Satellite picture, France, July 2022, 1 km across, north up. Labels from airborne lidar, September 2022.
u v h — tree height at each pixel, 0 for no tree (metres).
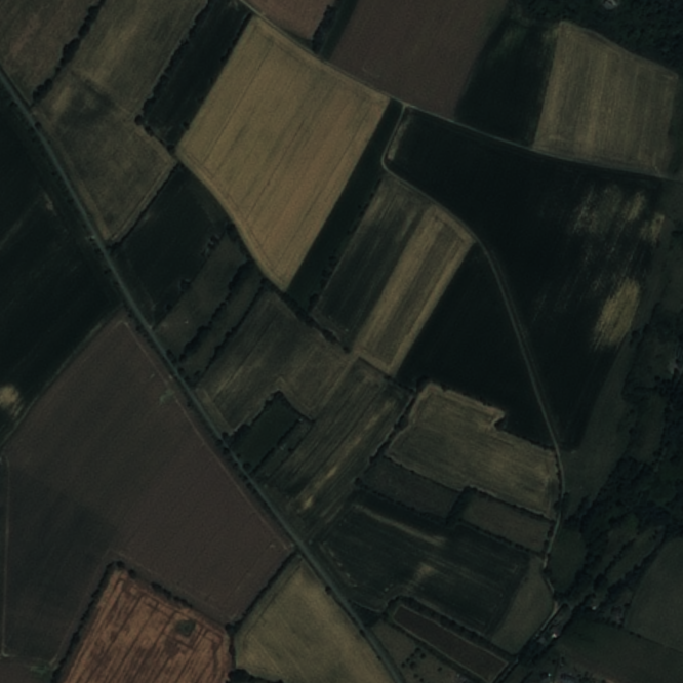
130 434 0
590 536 15
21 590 0
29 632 0
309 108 0
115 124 0
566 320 0
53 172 8
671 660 0
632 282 0
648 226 0
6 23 0
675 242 0
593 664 0
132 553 0
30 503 0
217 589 0
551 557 8
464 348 0
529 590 0
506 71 0
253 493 9
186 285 14
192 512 0
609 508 18
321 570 0
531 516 6
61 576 0
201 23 9
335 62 0
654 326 6
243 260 0
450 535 0
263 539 0
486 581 0
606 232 0
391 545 0
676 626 0
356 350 0
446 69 0
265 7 0
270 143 0
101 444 0
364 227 0
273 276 0
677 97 0
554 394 0
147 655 0
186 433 0
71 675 0
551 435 0
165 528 0
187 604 8
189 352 13
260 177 0
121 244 6
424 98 0
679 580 0
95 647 0
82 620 7
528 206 0
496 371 0
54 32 0
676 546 0
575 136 0
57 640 0
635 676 0
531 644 15
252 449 0
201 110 0
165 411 0
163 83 10
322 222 0
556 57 0
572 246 0
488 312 0
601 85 0
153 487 0
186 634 0
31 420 0
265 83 0
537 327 0
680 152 0
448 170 0
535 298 0
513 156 0
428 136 0
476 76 0
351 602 7
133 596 0
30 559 0
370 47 0
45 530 0
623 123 0
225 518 0
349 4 0
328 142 0
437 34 0
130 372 0
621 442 0
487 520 0
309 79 0
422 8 0
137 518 0
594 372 0
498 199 0
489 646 6
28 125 6
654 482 6
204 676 0
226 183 0
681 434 12
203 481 0
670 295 0
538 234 0
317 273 0
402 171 0
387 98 0
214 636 0
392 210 0
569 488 0
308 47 0
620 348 0
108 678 0
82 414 0
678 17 11
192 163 0
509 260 0
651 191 0
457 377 0
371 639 0
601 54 0
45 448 0
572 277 0
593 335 0
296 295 0
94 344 0
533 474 0
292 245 0
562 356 0
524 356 0
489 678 0
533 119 0
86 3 0
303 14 0
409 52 0
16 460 0
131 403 0
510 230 0
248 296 0
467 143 0
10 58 0
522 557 0
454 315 0
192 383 10
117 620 0
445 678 0
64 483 0
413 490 0
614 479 9
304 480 0
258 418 7
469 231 0
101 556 0
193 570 0
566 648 0
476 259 0
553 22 0
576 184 0
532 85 0
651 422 0
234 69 0
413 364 0
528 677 7
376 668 0
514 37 0
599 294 0
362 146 0
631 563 0
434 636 0
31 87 0
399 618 0
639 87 0
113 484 0
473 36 0
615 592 16
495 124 0
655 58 0
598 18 6
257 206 0
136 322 6
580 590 11
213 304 0
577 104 0
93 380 0
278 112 0
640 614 0
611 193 0
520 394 0
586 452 0
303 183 0
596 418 0
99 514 0
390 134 0
